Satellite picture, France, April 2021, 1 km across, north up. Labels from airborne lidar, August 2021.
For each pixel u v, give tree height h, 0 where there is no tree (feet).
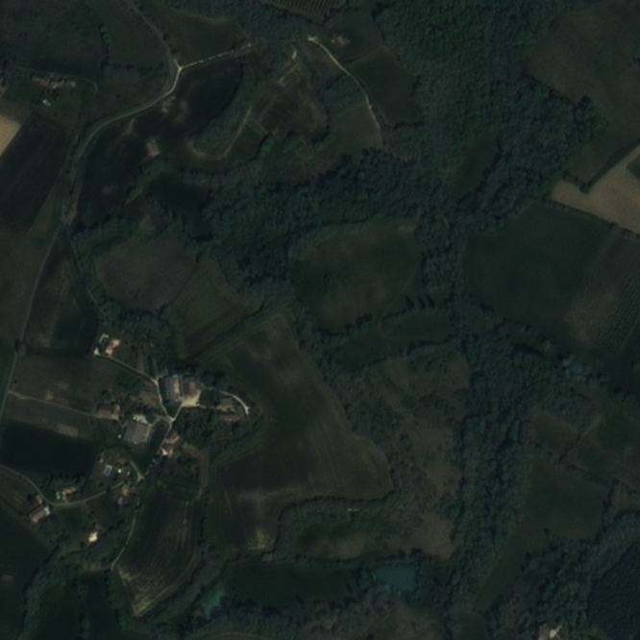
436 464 0
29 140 0
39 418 0
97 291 49
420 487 55
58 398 0
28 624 31
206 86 0
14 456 0
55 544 20
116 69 44
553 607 51
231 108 46
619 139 0
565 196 0
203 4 44
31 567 0
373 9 0
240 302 0
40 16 0
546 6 80
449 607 40
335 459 0
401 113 0
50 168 0
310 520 77
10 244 0
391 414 19
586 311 0
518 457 91
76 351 0
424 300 0
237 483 0
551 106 73
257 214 83
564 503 0
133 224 46
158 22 43
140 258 0
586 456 0
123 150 0
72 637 0
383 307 0
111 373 0
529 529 0
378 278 0
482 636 0
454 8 68
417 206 23
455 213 40
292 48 40
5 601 0
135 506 34
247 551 0
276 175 22
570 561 46
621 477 0
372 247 0
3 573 0
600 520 0
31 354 0
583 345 0
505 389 76
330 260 0
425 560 47
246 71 43
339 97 71
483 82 93
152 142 0
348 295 0
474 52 88
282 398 0
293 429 0
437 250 0
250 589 0
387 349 0
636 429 0
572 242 0
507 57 77
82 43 0
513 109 51
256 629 60
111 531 30
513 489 85
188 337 0
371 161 87
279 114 0
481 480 57
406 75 0
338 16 53
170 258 0
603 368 0
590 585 58
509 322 27
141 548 0
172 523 0
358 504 35
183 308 0
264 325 0
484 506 54
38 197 0
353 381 40
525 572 34
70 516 0
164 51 0
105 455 0
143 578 0
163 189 0
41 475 0
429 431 0
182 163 0
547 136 59
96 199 0
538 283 0
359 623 63
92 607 0
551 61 0
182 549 0
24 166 0
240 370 0
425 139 75
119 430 19
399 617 0
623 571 57
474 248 0
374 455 0
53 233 0
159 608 27
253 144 0
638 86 0
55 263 0
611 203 0
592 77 0
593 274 0
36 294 0
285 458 0
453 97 70
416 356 52
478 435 70
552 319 0
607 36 0
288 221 103
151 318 67
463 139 91
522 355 78
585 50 0
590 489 0
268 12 53
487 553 86
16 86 0
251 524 0
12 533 0
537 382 66
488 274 0
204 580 71
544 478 0
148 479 23
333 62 0
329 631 26
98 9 0
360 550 0
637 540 44
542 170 74
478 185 0
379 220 33
